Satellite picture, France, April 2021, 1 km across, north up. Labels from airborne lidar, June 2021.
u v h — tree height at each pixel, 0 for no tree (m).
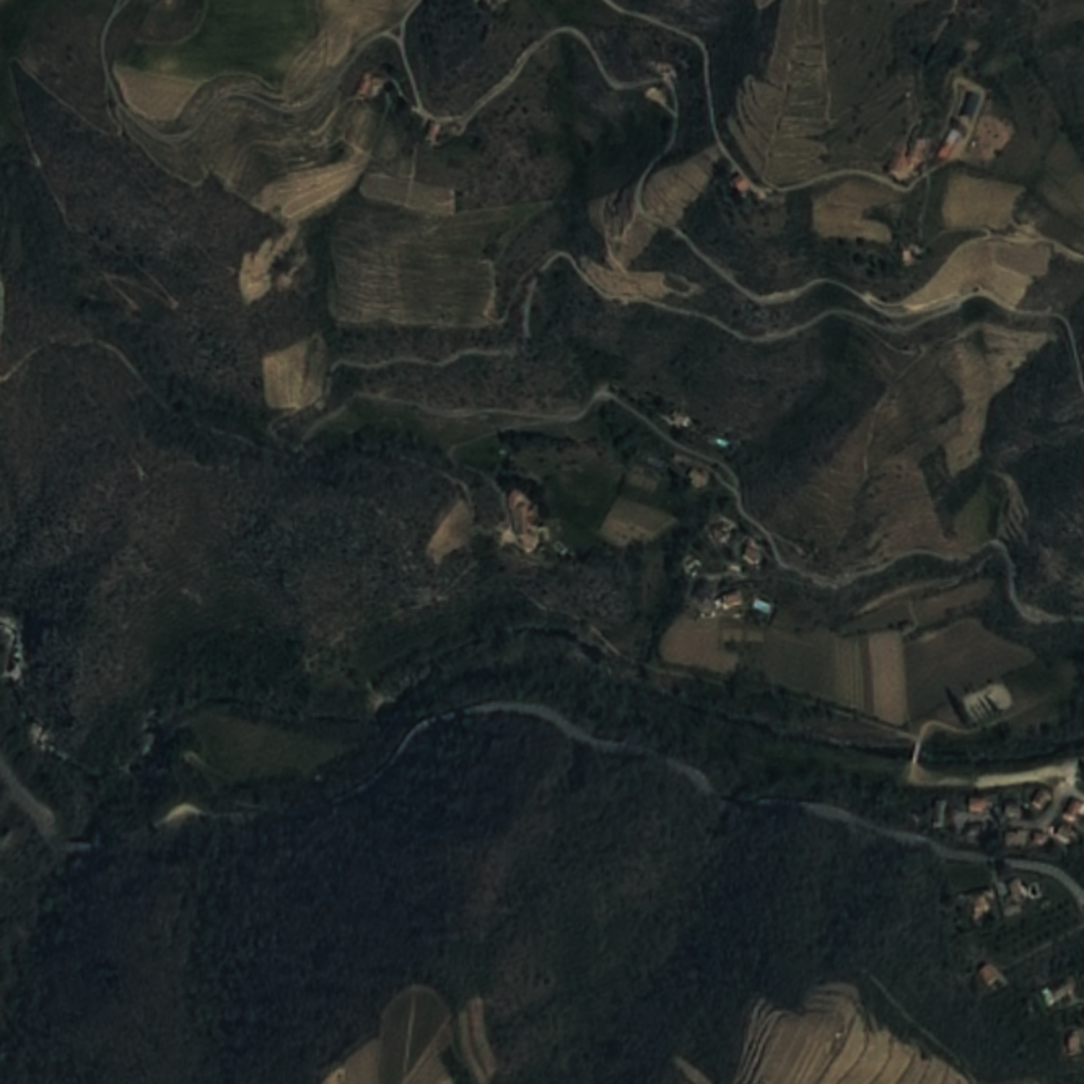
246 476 10
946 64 6
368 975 8
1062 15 0
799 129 0
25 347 9
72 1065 15
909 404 0
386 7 0
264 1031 14
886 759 0
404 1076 0
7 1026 14
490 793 6
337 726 13
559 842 10
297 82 0
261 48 0
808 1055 0
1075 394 0
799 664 0
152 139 0
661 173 0
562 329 13
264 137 0
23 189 16
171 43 0
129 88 0
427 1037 0
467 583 6
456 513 0
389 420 0
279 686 15
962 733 0
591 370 11
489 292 0
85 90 0
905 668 0
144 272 9
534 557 6
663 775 13
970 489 11
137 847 9
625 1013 27
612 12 0
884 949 10
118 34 0
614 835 17
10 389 6
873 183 0
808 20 0
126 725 11
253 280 0
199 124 0
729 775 24
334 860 14
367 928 9
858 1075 0
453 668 19
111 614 6
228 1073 14
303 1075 8
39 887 12
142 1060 9
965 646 0
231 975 18
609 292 0
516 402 7
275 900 10
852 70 0
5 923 12
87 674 7
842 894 19
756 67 0
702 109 8
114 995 7
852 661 0
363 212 0
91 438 6
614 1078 13
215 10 0
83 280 20
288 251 0
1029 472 12
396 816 6
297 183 0
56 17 0
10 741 14
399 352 8
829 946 10
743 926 15
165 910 9
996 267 0
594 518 0
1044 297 0
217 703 12
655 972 27
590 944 7
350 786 10
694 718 13
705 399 0
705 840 22
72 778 14
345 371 11
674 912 16
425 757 7
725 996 12
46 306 9
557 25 0
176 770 7
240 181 0
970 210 0
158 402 14
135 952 13
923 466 8
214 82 0
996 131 0
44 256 6
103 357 8
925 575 12
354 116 0
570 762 11
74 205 12
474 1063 0
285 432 18
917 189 0
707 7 0
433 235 0
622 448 11
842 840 10
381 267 0
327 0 0
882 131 0
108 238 8
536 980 7
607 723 24
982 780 0
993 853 18
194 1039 13
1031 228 0
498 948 10
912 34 9
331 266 0
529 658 21
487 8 8
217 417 5
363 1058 0
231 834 10
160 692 7
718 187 8
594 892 6
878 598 6
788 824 15
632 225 0
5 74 0
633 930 7
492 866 7
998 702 0
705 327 8
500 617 9
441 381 9
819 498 0
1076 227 0
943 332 0
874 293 0
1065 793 0
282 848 12
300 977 9
